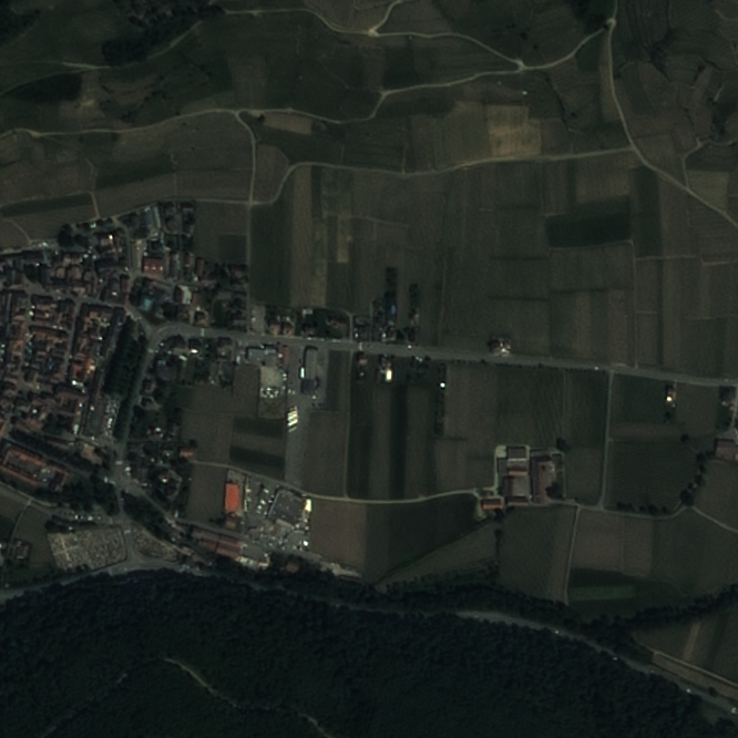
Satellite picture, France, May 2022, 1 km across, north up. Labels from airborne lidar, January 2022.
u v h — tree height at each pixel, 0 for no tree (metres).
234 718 20
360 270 0
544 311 0
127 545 0
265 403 0
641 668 0
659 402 0
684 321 0
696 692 0
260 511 0
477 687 16
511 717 16
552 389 0
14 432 8
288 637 13
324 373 0
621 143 0
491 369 0
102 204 0
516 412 0
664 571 0
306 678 20
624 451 0
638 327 0
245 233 0
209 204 0
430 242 0
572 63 0
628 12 0
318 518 0
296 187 0
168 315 12
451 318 0
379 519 0
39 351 0
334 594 5
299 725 12
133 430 12
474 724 14
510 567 0
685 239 0
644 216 0
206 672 16
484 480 0
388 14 0
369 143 0
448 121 0
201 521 0
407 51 0
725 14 0
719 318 0
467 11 0
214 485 0
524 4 0
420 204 0
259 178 0
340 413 0
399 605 18
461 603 17
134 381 9
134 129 0
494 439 0
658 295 0
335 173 0
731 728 17
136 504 13
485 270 0
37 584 7
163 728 13
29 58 0
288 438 0
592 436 0
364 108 0
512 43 0
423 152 0
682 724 25
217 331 0
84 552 0
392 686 17
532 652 15
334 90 0
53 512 0
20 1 0
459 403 0
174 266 0
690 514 0
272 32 0
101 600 10
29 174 0
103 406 0
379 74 0
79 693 18
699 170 0
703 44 0
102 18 0
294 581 25
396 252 0
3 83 0
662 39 0
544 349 0
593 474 0
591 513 0
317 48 0
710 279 0
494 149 0
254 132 0
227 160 0
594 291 0
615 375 0
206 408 0
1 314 0
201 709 11
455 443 0
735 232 0
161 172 0
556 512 0
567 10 0
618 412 0
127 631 15
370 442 0
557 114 0
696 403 0
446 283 0
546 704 20
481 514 0
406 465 0
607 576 0
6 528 0
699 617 16
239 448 0
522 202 0
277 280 0
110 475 0
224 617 23
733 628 0
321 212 0
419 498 0
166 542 0
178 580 18
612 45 0
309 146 0
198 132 0
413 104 0
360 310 0
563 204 0
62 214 0
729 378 0
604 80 0
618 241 0
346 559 0
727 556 0
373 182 0
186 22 9
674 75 0
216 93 0
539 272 0
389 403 0
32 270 10
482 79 0
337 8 0
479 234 0
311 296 0
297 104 0
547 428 0
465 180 0
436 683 14
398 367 0
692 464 0
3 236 0
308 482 0
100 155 0
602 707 21
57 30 0
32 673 24
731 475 0
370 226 0
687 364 0
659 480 0
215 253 0
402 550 0
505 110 0
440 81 0
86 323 0
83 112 0
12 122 0
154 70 0
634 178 0
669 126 0
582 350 0
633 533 0
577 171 0
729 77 0
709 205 0
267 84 0
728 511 0
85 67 0
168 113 0
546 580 0
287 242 0
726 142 0
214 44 0
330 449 0
